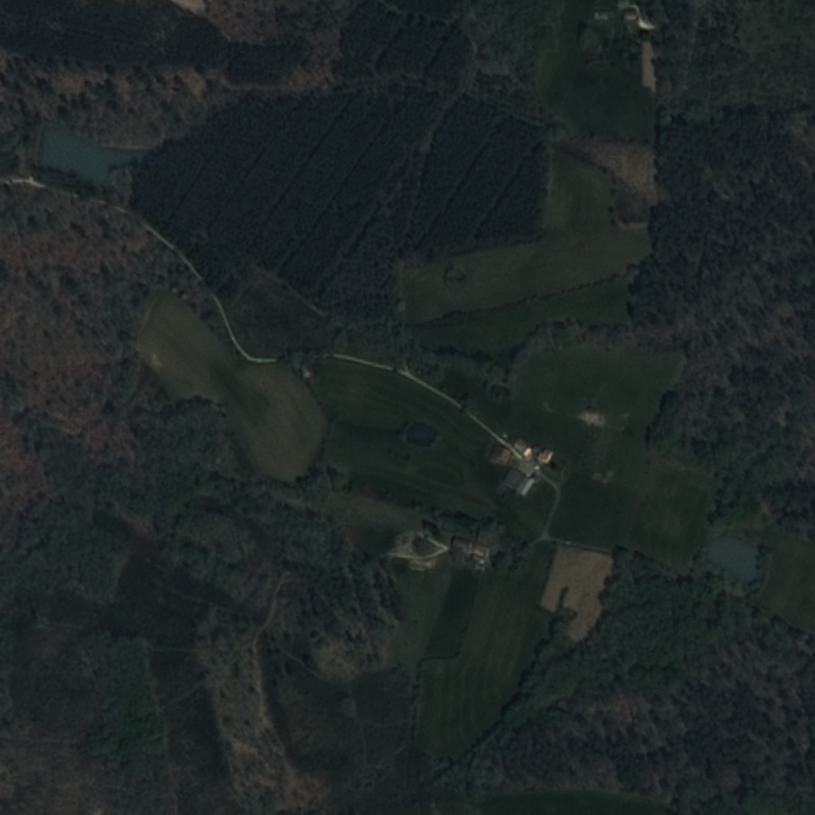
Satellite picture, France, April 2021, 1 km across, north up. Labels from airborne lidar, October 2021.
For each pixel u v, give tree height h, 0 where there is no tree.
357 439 0
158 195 17
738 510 25
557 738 24
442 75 18
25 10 12
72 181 14
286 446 0
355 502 0
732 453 23
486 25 14
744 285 12
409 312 0
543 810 0
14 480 16
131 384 17
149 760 17
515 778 26
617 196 11
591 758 24
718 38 7
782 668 15
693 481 0
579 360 0
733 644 18
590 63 7
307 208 17
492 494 0
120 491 27
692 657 28
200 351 0
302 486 15
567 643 16
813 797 18
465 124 17
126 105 8
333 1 19
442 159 16
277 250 17
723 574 8
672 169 28
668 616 27
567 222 0
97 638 17
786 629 18
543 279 0
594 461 0
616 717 17
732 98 7
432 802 8
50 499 7
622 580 20
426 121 19
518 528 0
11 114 13
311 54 7
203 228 19
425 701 0
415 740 6
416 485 0
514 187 17
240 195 17
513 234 18
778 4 0
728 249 25
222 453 14
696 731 28
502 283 0
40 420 9
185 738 0
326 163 19
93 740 13
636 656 28
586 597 0
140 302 11
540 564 0
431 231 7
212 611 21
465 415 15
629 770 25
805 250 15
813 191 24
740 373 7
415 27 16
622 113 0
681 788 11
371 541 0
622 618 22
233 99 20
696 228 27
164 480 25
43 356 11
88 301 14
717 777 23
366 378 0
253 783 16
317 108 17
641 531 0
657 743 19
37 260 8
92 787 0
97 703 16
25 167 0
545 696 23
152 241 15
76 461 14
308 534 24
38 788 0
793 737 19
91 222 13
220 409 11
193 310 10
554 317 0
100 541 24
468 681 0
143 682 20
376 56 16
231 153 19
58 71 21
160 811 19
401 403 0
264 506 17
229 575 17
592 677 28
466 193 17
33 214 20
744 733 27
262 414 0
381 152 16
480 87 7
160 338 0
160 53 10
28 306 14
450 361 22
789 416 16
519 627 0
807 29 0
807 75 6
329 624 0
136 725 15
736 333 24
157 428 20
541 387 0
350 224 19
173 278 14
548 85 0
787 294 9
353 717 12
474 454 0
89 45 11
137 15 9
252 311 6
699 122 19
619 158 0
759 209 14
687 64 10
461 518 9
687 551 0
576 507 0
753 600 12
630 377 0
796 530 19
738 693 17
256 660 19
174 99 11
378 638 20
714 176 25
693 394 9
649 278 18
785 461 24
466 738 0
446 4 12
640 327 12
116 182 11
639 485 0
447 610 0
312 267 20
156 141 20
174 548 22
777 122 15
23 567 14
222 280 18
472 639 0
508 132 19
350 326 20
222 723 0
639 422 0
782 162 28
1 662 9
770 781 18
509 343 0
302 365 10
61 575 14
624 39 9
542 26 23
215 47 11
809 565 0
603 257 0
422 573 0
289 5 7
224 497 19
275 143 19
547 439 0
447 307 0
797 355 18
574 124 0
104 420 11
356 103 19
